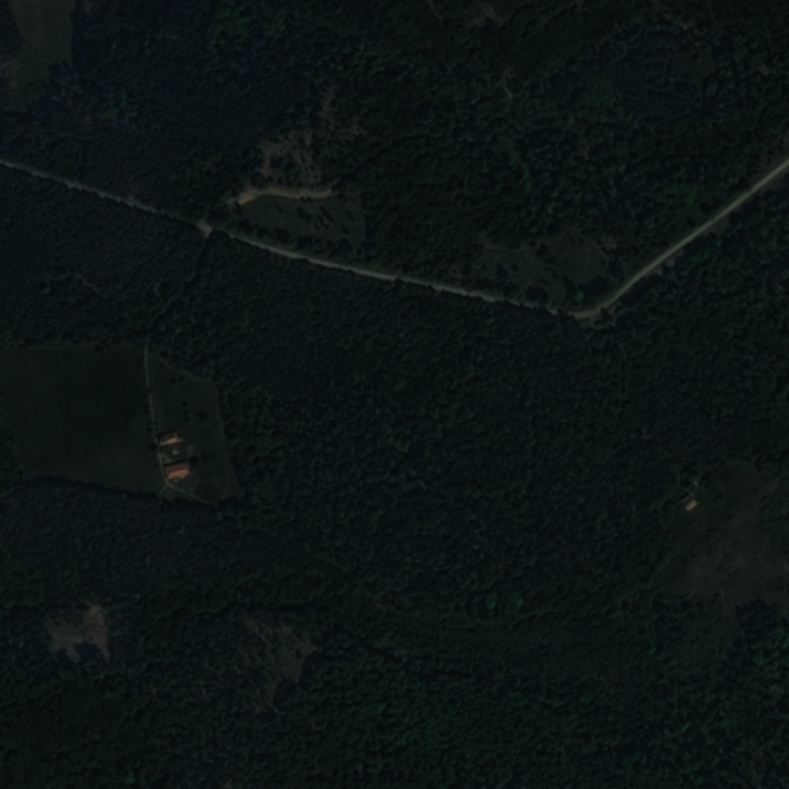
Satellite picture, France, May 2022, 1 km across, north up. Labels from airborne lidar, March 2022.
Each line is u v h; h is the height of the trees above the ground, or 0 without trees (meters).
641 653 10
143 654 23
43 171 9
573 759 27
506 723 23
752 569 0
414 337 11
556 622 12
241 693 21
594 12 10
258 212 0
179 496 0
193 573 23
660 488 17
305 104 19
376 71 8
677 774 15
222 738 17
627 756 25
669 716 10
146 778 20
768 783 11
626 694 7
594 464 18
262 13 27
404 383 10
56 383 0
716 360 16
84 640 0
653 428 21
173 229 18
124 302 19
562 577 21
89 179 18
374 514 20
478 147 9
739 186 15
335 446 27
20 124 24
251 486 22
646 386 16
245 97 25
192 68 24
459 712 27
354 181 17
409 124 13
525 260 0
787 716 24
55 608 33
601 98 20
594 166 10
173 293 26
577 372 21
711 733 30
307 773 18
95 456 0
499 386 23
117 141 17
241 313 21
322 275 12
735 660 20
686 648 14
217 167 14
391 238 17
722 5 15
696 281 17
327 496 23
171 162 23
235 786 22
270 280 12
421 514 23
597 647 11
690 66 0
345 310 15
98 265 21
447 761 20
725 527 0
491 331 11
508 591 25
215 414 0
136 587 26
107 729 15
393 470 20
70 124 23
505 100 23
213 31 25
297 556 26
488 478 20
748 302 29
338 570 24
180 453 0
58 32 0
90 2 29
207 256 19
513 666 13
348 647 27
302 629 22
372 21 19
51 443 0
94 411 0
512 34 11
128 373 0
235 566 27
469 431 26
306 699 26
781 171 0
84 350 0
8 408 0
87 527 21
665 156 9
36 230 19
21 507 26
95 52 27
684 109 25
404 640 9
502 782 15
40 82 0
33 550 20
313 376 12
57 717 12
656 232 8
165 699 22
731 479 0
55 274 17
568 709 12
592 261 0
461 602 19
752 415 16
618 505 21
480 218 14
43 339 21
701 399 18
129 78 29
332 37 14
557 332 17
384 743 12
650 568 23
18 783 16
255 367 15
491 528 22
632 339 18
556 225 13
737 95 22
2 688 13
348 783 16
